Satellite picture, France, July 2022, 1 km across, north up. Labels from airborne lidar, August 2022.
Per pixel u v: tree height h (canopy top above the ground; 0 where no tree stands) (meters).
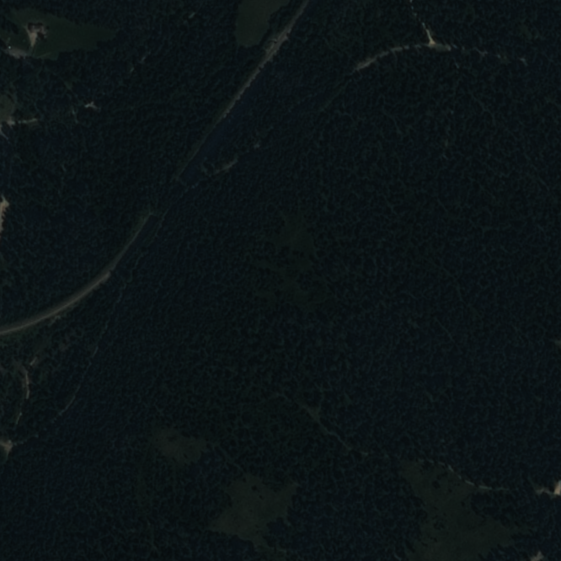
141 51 39
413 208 10
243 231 17
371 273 36
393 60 19
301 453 16
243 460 9
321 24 15
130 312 12
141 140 9
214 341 7
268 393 10
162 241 15
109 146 22
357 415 38
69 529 7
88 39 0
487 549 0
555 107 15
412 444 13
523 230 16
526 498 30
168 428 10
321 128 10
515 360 27
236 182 17
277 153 19
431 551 0
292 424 14
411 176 12
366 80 11
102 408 19
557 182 13
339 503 32
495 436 27
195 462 0
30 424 15
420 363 33
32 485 15
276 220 12
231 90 22
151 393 18
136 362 15
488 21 14
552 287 17
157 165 11
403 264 14
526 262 19
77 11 38
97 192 22
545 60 33
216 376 9
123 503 7
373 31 11
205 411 6
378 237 18
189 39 19
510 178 11
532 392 11
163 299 20
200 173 18
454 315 25
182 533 24
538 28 34
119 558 16
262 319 11
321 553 16
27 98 30
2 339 5
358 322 32
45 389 6
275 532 30
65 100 35
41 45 0
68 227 43
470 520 0
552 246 21
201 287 17
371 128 13
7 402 11
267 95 21
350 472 33
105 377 12
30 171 6
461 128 20
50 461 15
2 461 7
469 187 15
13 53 0
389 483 12
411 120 20
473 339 6
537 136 10
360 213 14
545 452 31
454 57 28
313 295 6
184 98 13
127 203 19
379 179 23
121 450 15
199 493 20
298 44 19
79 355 21
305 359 15
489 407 7
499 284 24
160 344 17
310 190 13
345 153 20
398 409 34
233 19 20
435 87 14
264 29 0
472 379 7
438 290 16
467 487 0
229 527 0
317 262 35
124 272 19
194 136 19
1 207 0
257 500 0
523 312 17
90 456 17
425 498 0
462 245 17
